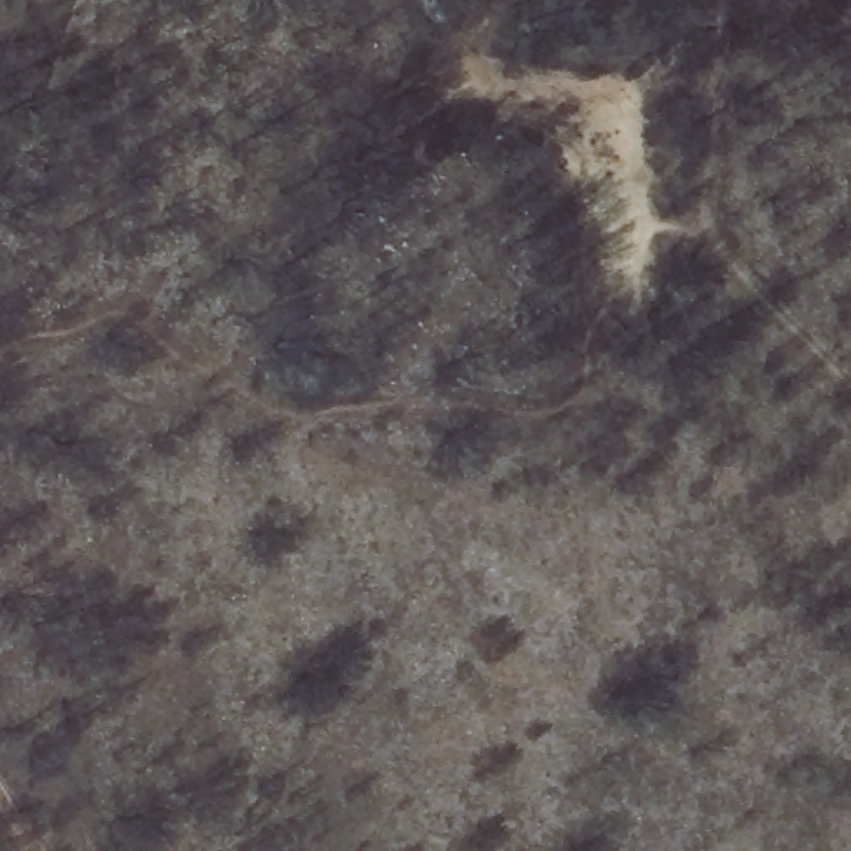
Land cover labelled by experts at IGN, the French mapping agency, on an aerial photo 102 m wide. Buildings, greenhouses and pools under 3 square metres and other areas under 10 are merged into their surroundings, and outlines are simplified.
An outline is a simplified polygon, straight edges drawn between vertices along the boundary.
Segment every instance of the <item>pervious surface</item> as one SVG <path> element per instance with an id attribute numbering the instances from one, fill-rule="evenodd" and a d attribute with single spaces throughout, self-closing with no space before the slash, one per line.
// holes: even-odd
<path id="1" fill-rule="evenodd" d="M 558 70 L 502 76 L 502 63 L 495 57 L 465 57 L 462 83 L 449 86 L 445 100 L 482 96 L 495 103 L 495 113 L 502 120 L 519 116 L 525 123 L 535 123 L 545 136 L 555 136 L 565 166 L 575 176 L 572 186 L 578 189 L 582 206 L 592 209 L 598 226 L 605 229 L 608 286 L 628 283 L 628 289 L 642 289 L 648 283 L 645 266 L 652 263 L 652 239 L 658 233 L 658 216 L 648 199 L 652 166 L 645 163 L 645 146 L 642 93 L 632 80 L 582 80 Z"/>

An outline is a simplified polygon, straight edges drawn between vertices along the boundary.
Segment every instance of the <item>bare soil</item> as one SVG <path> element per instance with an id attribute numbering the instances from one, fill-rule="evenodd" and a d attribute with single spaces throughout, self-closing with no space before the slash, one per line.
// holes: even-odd
<path id="1" fill-rule="evenodd" d="M 180 299 L 183 273 L 203 266 L 206 259 L 193 233 L 166 233 L 166 249 L 150 256 L 96 256 L 93 263 L 76 259 L 76 266 L 66 269 L 57 239 L 40 239 L 30 233 L 17 236 L 10 229 L 0 229 L 0 851 L 851 851 L 851 126 L 838 123 L 834 143 L 828 146 L 818 146 L 814 140 L 801 136 L 794 146 L 781 150 L 794 166 L 821 163 L 834 183 L 834 193 L 821 196 L 814 206 L 801 206 L 794 219 L 781 223 L 778 229 L 755 189 L 778 189 L 781 170 L 771 170 L 765 163 L 765 170 L 751 173 L 748 156 L 738 150 L 708 160 L 688 153 L 681 160 L 678 146 L 645 146 L 645 163 L 652 166 L 648 199 L 658 216 L 658 233 L 652 239 L 652 263 L 645 266 L 648 283 L 642 289 L 628 289 L 628 283 L 608 286 L 605 229 L 598 226 L 592 209 L 582 206 L 578 189 L 572 186 L 558 199 L 558 206 L 542 213 L 535 223 L 515 219 L 515 226 L 509 226 L 505 233 L 482 233 L 479 239 L 465 239 L 465 246 L 455 246 L 449 253 L 449 276 L 432 306 L 432 316 L 416 322 L 419 339 L 412 346 L 406 346 L 402 352 L 386 352 L 386 379 L 376 399 L 352 406 L 326 406 L 312 412 L 283 406 L 276 396 L 249 389 L 253 366 L 263 356 L 263 346 L 246 326 L 239 326 L 229 316 L 223 296 L 199 299 L 189 319 L 176 322 L 170 346 L 163 349 L 163 359 L 133 376 L 93 362 L 83 352 L 90 332 L 106 326 L 110 319 L 126 316 L 130 303 L 146 299 L 156 306 L 170 306 Z"/>

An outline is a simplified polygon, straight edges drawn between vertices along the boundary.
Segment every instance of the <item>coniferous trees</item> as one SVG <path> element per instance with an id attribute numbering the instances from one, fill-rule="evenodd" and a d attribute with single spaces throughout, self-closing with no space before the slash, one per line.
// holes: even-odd
<path id="1" fill-rule="evenodd" d="M 166 249 L 166 233 L 193 233 L 206 259 L 203 266 L 183 273 L 180 299 L 170 306 L 156 306 L 146 299 L 130 303 L 126 316 L 110 319 L 106 326 L 90 332 L 83 352 L 93 362 L 133 376 L 163 359 L 163 349 L 170 346 L 176 322 L 189 319 L 199 299 L 223 296 L 229 316 L 239 326 L 246 326 L 263 346 L 263 356 L 253 366 L 249 389 L 276 396 L 283 406 L 312 412 L 326 406 L 352 406 L 376 399 L 386 379 L 386 352 L 402 352 L 406 346 L 412 346 L 419 339 L 416 322 L 432 316 L 432 306 L 449 276 L 449 253 L 455 246 L 465 246 L 465 239 L 479 239 L 482 233 L 505 233 L 509 226 L 515 226 L 515 219 L 535 223 L 542 213 L 558 206 L 558 199 L 572 186 L 575 176 L 565 166 L 555 136 L 545 136 L 535 123 L 525 123 L 519 116 L 502 120 L 495 113 L 495 103 L 482 96 L 445 100 L 449 86 L 462 83 L 465 57 L 495 57 L 502 63 L 502 76 L 558 70 L 582 80 L 632 80 L 642 93 L 645 146 L 678 146 L 681 160 L 688 153 L 708 160 L 738 150 L 748 156 L 751 173 L 765 170 L 765 163 L 771 170 L 781 170 L 778 189 L 755 189 L 778 229 L 781 223 L 794 219 L 801 206 L 814 206 L 821 196 L 834 193 L 834 183 L 821 163 L 794 166 L 781 150 L 794 146 L 801 136 L 814 140 L 818 146 L 828 146 L 834 143 L 838 123 L 851 126 L 851 0 L 0 0 L 0 229 L 10 229 L 17 236 L 30 233 L 40 239 L 57 239 L 66 269 L 76 266 L 76 259 L 93 263 L 96 256 L 150 256 Z"/>

